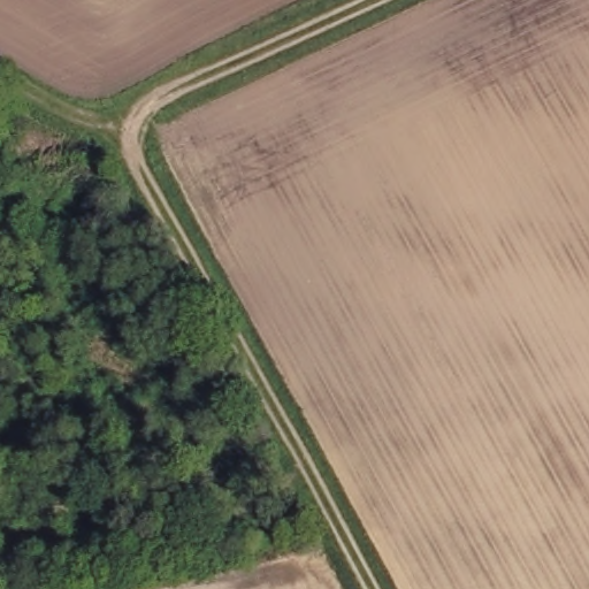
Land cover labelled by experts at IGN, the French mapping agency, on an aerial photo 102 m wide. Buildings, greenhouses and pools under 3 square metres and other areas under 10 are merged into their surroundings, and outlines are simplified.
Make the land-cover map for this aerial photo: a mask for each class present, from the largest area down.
<instances>
[{"label":"plowed land","instance_id":"1","mask_svg":"<svg viewBox=\"0 0 589 589\"><path fill-rule=\"evenodd\" d=\"M163 159L189 209L193 212L198 228L202 230L216 260L228 274L232 290L244 304L292 398L301 407L306 423L311 426L322 453L327 456L336 479L341 481L357 518L361 520L370 543L375 545L382 564L387 566L396 589H589V0H426L352 37H345L318 53H311L269 76H262L230 94L212 99L205 106H198L184 113L182 117L161 124L156 131Z\"/></svg>","mask_w":589,"mask_h":589},{"label":"coniferous trees","instance_id":"2","mask_svg":"<svg viewBox=\"0 0 589 589\"><path fill-rule=\"evenodd\" d=\"M14 62L12 58L0 55V97L12 94L14 74L9 69ZM120 186V179L104 177L101 186L94 191V200L99 207L94 219H74L60 223V265L44 274L37 260L23 258L9 248V239L18 235L12 225V209L18 202H23V193L5 196L0 202V446H9L14 451H46L78 446L71 460V469L81 474L87 462H97L101 469L108 467V449L124 446L127 442L131 446L129 467L136 469L145 465H170L175 456L182 453L184 444L198 446V439L205 433L230 430L232 437H244L255 433V412L262 407L255 389L248 384L244 375H239L244 357L230 350L232 341L237 338L235 334H225L223 329H219L212 308L202 304L207 295L214 292V281L209 278H202L193 265L182 262L173 253L163 223H159L152 216L145 202H129V209L120 212L115 207V191ZM101 334L104 343L113 347L120 357H127L131 368L138 375H143L140 380L147 389L133 391V403L145 410V428H133L129 433L127 416L115 405V396L124 384L117 382V375L113 370L101 368L92 361V343ZM216 483L212 465L200 474H193L191 481L173 479L163 485L147 488L143 492V499H136L131 495L106 497L99 508L87 511L92 520L106 525L110 534H131V529L140 522L145 513L154 511V495H168V504L175 508L177 495L198 492ZM216 497L219 502H223L219 518L225 525L223 536L246 538L248 531H262L267 536V541L262 543L265 559L308 552L313 543L308 536L306 520L297 515L288 520L283 506L288 499L281 497L278 490H274L269 481L260 479L232 474L225 488H221ZM83 550L76 543H62L55 548L41 541H28L18 548L16 559L12 564H0V589H41L55 573L71 577L76 559Z\"/></svg>","mask_w":589,"mask_h":589},{"label":"herbaceous vegetation","instance_id":"3","mask_svg":"<svg viewBox=\"0 0 589 589\"><path fill-rule=\"evenodd\" d=\"M347 0H295L251 23L235 28L232 32L191 51L186 58L145 78L143 83L106 99L71 97L48 85L46 81L32 76L14 62L9 69L14 74L12 94L16 106L9 122V136L0 143V156L14 159L16 166H25L32 175L46 173L74 186V196L64 202L60 212L51 209L44 214L46 221L60 223L74 219H94L99 207L94 200V191L101 186L104 177L120 179V186L115 191V207L120 212L129 209V202H145L122 156L120 143L122 122L127 120L131 106L138 99H143L154 87L177 76H184L202 64L216 62L246 46H253L276 32H283ZM426 0H393L334 30H327L304 44L276 53L253 67H246L212 85L189 92L166 104L145 120V163L150 166L154 179L166 193L189 239L200 253L209 278L214 281V292L207 295L202 304L212 308L219 329H223L225 334H235L246 336L253 354L258 357L278 400L283 403L308 453L313 456L322 479L327 481L345 522L350 525L382 589H396L387 566L382 564L375 545L370 543L361 520L357 518L341 481L336 479L327 456L322 453L311 426L306 423L301 407L292 398L244 304L232 290L228 274L216 260L202 230L198 228L193 212L189 209L163 159L156 131L161 124L182 117L184 113L198 106H205L212 99L230 94L262 76H269L311 53H318L345 37H352ZM92 361L101 368L113 370L117 375V382L124 384L115 396V405L127 416L129 433L133 428H145V410L133 403V391L147 389L140 380L143 375H138L131 368L127 357H120L113 347L104 343L101 334L92 343ZM262 456L246 451L244 437H232L225 442L223 451H219L212 458V465L216 483L221 488H225L232 474L260 479L267 472L258 465ZM92 536L110 534L106 525L92 520L87 511L76 515L71 534H60L53 527H2L0 548V564H12L16 559L18 548L28 541H41L55 548L62 543H76L83 550L92 543ZM324 554L343 589H359L329 529L322 531Z\"/></svg>","mask_w":589,"mask_h":589},{"label":"deciduous trees","instance_id":"4","mask_svg":"<svg viewBox=\"0 0 589 589\"><path fill-rule=\"evenodd\" d=\"M16 106L12 94L0 97V143L9 136V122ZM23 193V202H18L12 209V225L18 235L9 239V248L23 258L37 260L44 274L60 265V223L46 221L44 214L51 209L60 212L64 202L74 196V186L46 173L32 175L25 166H16L14 159L0 156V202L5 196ZM232 437L230 430L205 433L198 439V446L184 444L182 453L175 456L170 465H145L136 469L129 467L131 446L127 442L124 446L108 449V467L101 469L97 462H87L81 474L71 469V460L78 446L46 451H14L9 446H0V548L2 527H53L60 534H71L76 515L87 511L99 508L106 497L131 495L136 499H143V492L147 488L163 485L173 479L191 481L193 474H200L212 465V458L219 451H223L225 442ZM221 488L216 483L198 492L177 495L175 508L168 504V495H154V511L145 513L140 522L131 529V534H110L92 536V543L83 550L76 559L71 577L55 573L41 589H163L189 582H212L214 575L228 571L251 573L265 559L262 543L267 541V536L262 531H248L246 538L223 536L225 525L219 518L223 502H219L216 497Z\"/></svg>","mask_w":589,"mask_h":589},{"label":"agricultural land","instance_id":"5","mask_svg":"<svg viewBox=\"0 0 589 589\"><path fill-rule=\"evenodd\" d=\"M295 0H0V55L12 58L14 62L32 76L46 81L48 85L71 97L106 99L143 83L145 78L186 58L191 51L232 32L235 28L251 23ZM163 589H343L324 554L308 552L265 559L251 573L228 571L214 575L212 582H189Z\"/></svg>","mask_w":589,"mask_h":589},{"label":"pervious surface","instance_id":"6","mask_svg":"<svg viewBox=\"0 0 589 589\"><path fill-rule=\"evenodd\" d=\"M393 0H347L283 32H276L253 46H246L216 62L202 64L184 76H177L154 87L143 99H138L131 106L127 120L122 122L120 143L122 156L152 216L159 223H163L173 253L182 262L193 265L202 278H209L200 253L189 239L166 193L154 179L150 166L145 163V120L166 104L189 92L212 85L246 67H253L276 53L304 44L327 30H334ZM237 338L232 341L230 350L244 357L239 375H244L248 384L255 389L262 407L271 419L283 446L288 449L329 529L359 589H382L350 525L345 522L327 481L322 479L313 456L308 453L283 403L278 400L258 357L253 354L246 336L235 334Z\"/></svg>","mask_w":589,"mask_h":589},{"label":"brushwood","instance_id":"7","mask_svg":"<svg viewBox=\"0 0 589 589\"><path fill-rule=\"evenodd\" d=\"M255 433L244 437L246 451L262 456L258 465L267 472L260 479L269 481L274 490H278L281 497L288 499L283 506L288 520L297 515L306 520L308 536L313 543L308 552L324 554L322 531L329 529L288 449L283 446L271 419L262 407L255 412Z\"/></svg>","mask_w":589,"mask_h":589}]
</instances>
